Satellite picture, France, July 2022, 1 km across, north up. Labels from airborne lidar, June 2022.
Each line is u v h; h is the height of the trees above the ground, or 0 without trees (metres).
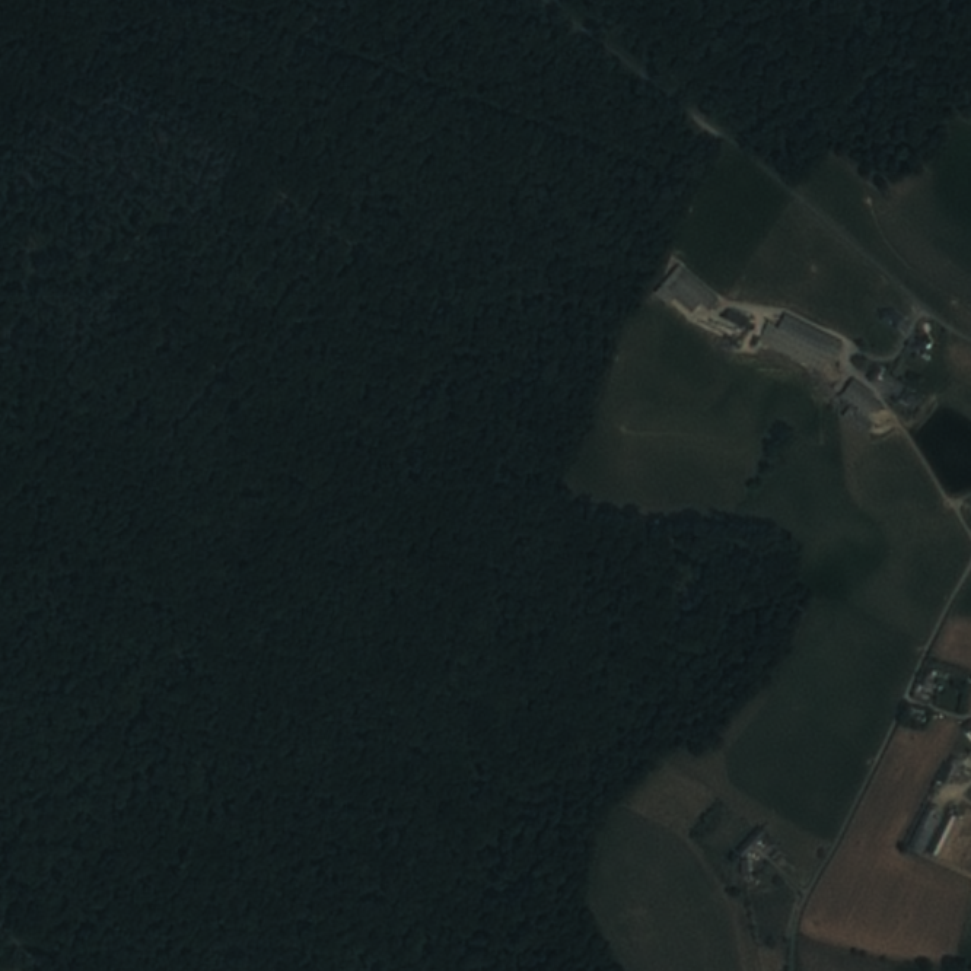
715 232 0
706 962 0
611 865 0
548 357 25
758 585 26
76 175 25
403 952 27
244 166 20
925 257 0
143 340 28
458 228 23
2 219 25
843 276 0
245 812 30
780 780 0
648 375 0
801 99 29
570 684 27
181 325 29
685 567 25
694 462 0
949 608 0
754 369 0
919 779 0
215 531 22
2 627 25
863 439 0
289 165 22
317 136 19
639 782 18
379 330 24
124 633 22
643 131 24
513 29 22
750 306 0
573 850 20
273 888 25
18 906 30
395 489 24
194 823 26
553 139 23
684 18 25
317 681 26
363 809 26
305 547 22
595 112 25
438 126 20
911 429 0
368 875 26
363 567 22
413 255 23
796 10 29
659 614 33
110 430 26
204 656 23
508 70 23
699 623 31
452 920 22
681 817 0
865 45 24
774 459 12
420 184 22
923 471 0
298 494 28
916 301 0
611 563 27
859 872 0
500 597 25
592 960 25
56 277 21
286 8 26
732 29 31
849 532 0
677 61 26
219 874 22
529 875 19
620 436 0
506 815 26
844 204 0
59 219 27
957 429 0
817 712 0
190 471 23
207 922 24
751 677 21
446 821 27
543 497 27
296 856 25
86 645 24
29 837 19
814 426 0
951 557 0
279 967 28
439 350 24
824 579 0
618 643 25
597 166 24
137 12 19
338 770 26
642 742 27
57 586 27
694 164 30
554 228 25
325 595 19
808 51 24
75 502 23
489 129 21
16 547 24
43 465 21
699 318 0
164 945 16
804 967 0
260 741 29
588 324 8
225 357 25
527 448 26
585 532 26
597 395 8
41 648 25
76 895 25
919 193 0
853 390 0
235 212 22
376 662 25
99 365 26
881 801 0
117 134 20
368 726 22
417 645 25
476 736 25
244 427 24
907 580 0
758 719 0
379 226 21
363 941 26
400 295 22
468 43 22
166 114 23
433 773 25
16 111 29
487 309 25
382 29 24
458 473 27
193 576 24
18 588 26
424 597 24
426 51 23
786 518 0
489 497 25
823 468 0
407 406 26
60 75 24
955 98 18
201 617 27
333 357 25
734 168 0
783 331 0
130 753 21
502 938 26
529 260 24
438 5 24
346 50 9
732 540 21
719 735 17
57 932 27
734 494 0
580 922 16
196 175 28
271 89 22
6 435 24
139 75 23
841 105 31
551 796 29
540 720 23
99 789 20
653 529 30
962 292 0
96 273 19
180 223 18
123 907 28
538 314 31
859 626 0
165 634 23
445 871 29
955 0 9
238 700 27
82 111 26
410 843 28
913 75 24
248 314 24
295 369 24
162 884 27
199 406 21
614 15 24
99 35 15
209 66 22
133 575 22
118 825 28
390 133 19
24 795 22
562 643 27
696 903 0
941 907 0
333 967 29
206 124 25
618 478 0
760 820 0
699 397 0
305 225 24
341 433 23
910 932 0
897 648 0
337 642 24
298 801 27
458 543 20
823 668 0
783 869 0
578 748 21
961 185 0
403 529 25
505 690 24
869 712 0
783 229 0
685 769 0
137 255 12
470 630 25
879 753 0
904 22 33
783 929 0
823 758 0
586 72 23
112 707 18
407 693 23
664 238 24
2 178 25
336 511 24
